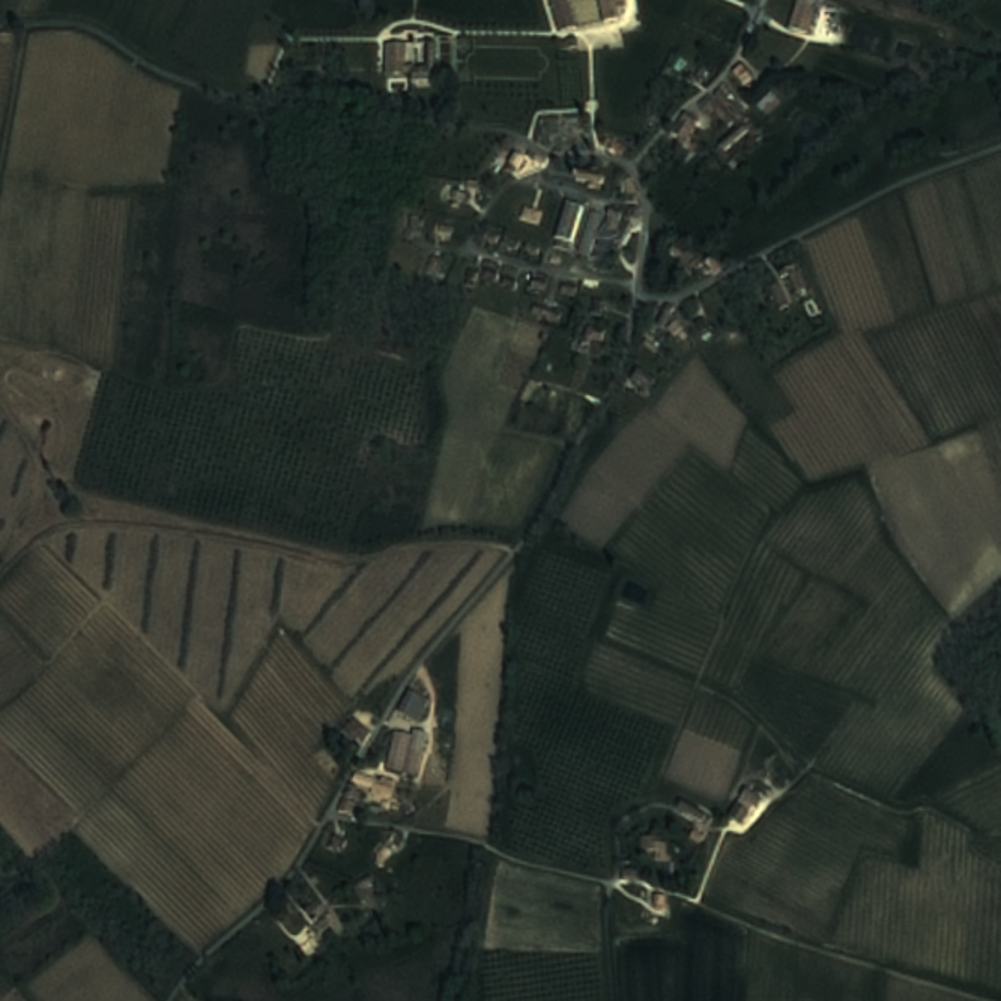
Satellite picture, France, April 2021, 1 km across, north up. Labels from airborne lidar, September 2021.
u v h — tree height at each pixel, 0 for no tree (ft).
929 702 0
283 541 0
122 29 0
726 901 0
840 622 0
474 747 0
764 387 0
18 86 0
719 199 0
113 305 0
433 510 0
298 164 53
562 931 0
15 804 0
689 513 0
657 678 0
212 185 0
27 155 0
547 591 0
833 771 0
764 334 35
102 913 32
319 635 0
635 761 0
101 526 0
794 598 0
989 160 0
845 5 0
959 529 0
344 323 59
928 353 0
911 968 0
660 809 0
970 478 0
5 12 0
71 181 0
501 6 0
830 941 0
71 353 0
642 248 0
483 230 29
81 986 0
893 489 0
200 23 0
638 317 37
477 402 0
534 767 0
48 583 0
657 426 0
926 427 0
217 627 0
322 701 0
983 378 0
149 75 0
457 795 0
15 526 0
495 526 0
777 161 0
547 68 0
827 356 0
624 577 0
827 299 0
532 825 0
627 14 0
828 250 0
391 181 69
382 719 0
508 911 0
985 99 0
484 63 0
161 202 0
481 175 26
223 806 0
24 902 64
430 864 0
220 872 0
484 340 0
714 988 0
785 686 0
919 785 0
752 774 0
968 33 22
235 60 0
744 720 0
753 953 0
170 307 30
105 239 0
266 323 0
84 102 0
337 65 54
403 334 49
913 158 41
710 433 0
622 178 32
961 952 0
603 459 0
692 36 0
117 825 0
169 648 0
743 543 0
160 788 0
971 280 0
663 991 0
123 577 0
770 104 0
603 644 0
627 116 0
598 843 0
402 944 42
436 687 0
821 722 0
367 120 73
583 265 22
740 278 29
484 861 28
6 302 0
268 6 0
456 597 0
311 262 41
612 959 0
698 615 0
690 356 0
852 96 76
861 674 0
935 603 0
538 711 0
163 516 0
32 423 0
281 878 0
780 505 0
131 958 55
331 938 34
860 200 0
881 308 0
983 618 33
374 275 46
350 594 0
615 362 43
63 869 35
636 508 0
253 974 0
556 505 48
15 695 0
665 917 0
